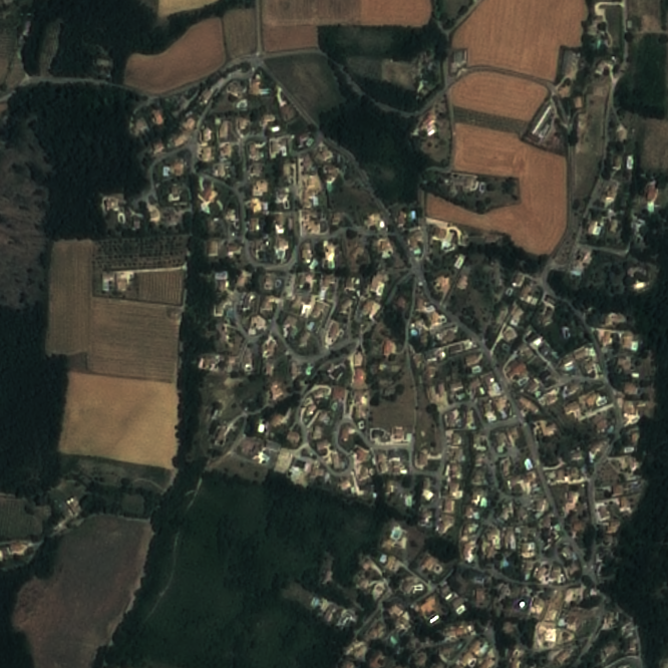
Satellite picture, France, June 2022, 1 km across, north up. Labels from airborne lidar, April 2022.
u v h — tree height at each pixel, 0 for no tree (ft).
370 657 52
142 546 0
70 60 59
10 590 41
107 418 0
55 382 46
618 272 38
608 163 36
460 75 0
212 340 29
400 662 29
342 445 0
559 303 36
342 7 0
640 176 56
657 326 17
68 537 0
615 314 27
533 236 0
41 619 0
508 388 0
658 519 69
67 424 0
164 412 0
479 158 0
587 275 24
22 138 62
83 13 46
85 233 51
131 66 0
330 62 31
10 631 48
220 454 28
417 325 0
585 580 32
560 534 35
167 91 0
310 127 28
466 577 61
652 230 50
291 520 34
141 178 36
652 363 19
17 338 49
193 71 0
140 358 0
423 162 30
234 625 26
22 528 0
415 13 0
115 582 0
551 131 0
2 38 0
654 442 50
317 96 0
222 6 23
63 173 56
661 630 43
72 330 0
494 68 0
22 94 83
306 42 0
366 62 0
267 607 23
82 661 0
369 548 23
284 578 26
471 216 0
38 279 0
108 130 78
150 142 23
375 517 26
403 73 0
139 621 24
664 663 0
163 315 0
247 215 23
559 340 0
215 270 30
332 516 19
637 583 40
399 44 18
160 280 0
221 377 0
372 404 34
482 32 0
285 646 28
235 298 0
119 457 0
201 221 32
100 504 45
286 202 0
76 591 0
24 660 21
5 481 43
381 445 0
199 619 18
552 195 0
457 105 0
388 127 32
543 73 0
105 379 0
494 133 0
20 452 33
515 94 0
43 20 75
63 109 73
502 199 0
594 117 0
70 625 0
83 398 0
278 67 0
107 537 0
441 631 30
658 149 0
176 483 31
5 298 40
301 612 40
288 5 0
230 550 42
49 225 42
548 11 0
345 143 55
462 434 0
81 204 44
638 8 0
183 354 29
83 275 0
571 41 0
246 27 0
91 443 0
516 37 0
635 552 51
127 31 34
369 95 40
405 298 17
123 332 0
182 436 47
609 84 0
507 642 59
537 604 0
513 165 0
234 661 32
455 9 0
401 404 0
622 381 25
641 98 25
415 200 27
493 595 36
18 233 0
